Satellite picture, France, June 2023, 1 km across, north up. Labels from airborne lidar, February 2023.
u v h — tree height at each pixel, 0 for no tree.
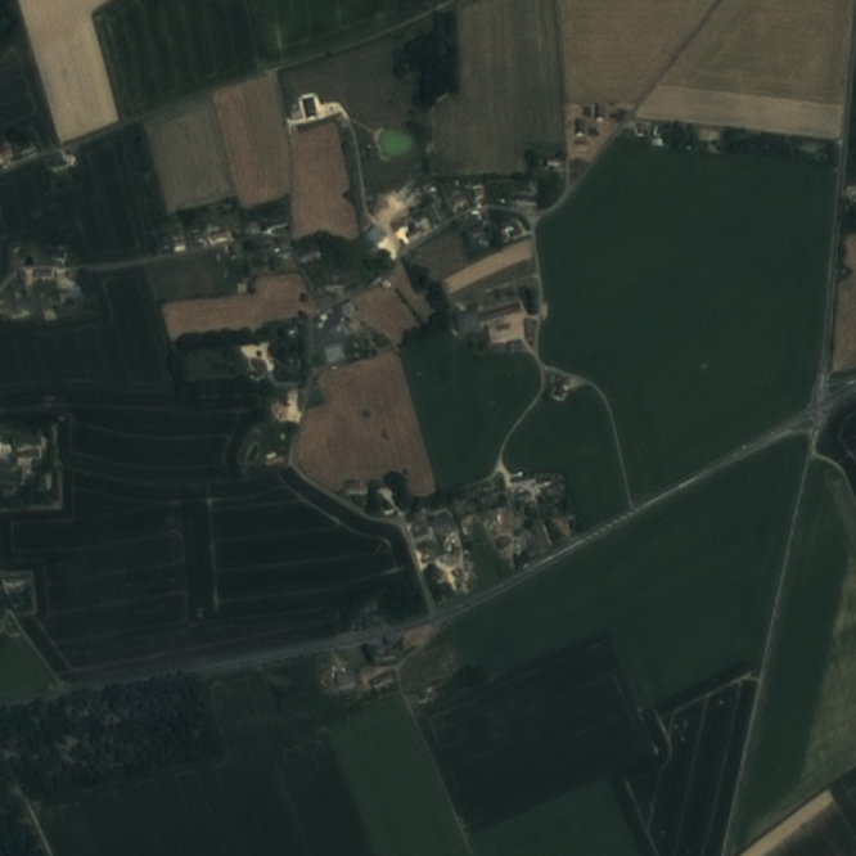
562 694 0
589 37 0
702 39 0
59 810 0
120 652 0
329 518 0
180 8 0
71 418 0
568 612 0
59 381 0
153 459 0
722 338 0
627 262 0
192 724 22
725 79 0
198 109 0
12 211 0
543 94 0
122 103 0
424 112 6
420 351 0
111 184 0
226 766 0
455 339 0
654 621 0
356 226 0
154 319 0
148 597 0
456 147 0
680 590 0
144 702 24
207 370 0
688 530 0
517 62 0
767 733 0
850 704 0
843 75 0
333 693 0
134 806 0
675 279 0
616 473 0
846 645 0
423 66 13
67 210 0
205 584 0
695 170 0
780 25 0
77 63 0
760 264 0
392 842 0
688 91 0
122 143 0
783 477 0
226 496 0
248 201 0
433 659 0
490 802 0
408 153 0
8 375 0
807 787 0
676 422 0
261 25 0
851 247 0
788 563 0
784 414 0
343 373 0
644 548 0
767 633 0
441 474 0
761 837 0
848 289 0
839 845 0
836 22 0
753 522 0
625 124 0
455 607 0
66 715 22
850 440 0
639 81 0
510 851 0
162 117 0
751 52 0
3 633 0
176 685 21
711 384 0
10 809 25
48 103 0
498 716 0
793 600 0
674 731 0
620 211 0
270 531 0
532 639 0
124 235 0
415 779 0
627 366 0
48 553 0
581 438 0
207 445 0
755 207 0
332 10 0
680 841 0
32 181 0
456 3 0
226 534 0
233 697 0
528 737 0
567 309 0
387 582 0
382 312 0
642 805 0
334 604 0
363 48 0
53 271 0
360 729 0
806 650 0
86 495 0
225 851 0
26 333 0
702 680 0
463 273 0
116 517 0
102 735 25
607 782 0
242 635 0
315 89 0
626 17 0
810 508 0
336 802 0
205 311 0
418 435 0
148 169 0
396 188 0
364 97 0
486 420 0
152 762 19
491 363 0
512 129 0
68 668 0
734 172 0
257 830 0
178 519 0
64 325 0
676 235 0
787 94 0
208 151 0
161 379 0
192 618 0
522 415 0
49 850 0
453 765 0
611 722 0
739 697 0
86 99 0
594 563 0
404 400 0
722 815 0
